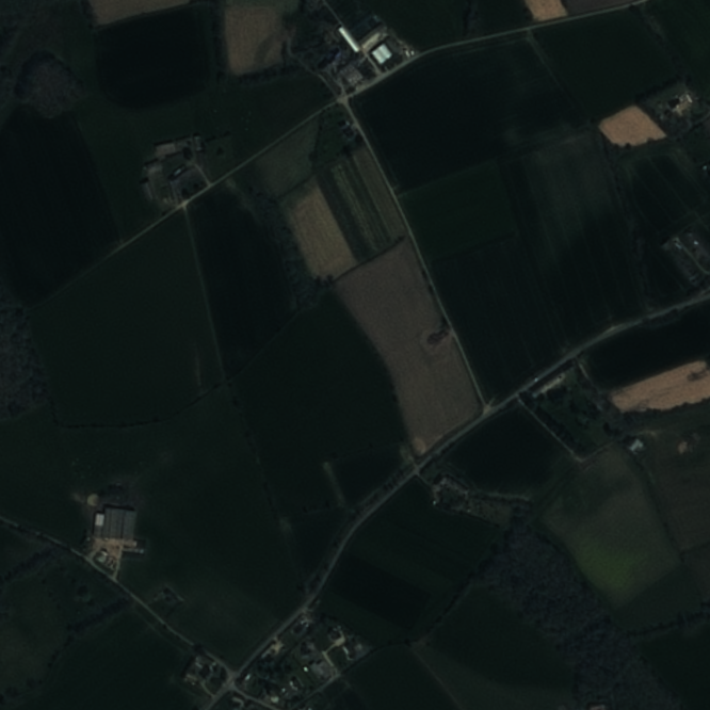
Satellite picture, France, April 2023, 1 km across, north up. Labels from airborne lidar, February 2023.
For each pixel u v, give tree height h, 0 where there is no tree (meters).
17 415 11
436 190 0
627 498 0
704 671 0
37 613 0
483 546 0
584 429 21
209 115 0
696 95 7
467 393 0
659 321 8
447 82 0
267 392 0
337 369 0
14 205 0
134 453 0
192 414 0
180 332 0
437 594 0
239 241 0
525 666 0
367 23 0
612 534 0
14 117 0
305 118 0
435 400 0
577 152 0
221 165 0
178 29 0
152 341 0
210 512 0
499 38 0
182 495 0
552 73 0
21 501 0
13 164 0
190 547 0
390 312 0
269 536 0
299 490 0
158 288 0
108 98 0
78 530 0
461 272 0
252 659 0
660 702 15
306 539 0
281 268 0
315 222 0
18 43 0
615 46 0
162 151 0
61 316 0
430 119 0
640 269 11
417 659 0
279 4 0
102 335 0
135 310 0
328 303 0
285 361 0
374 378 0
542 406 8
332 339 0
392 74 0
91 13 15
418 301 0
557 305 0
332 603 0
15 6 12
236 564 0
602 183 0
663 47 8
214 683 10
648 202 0
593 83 0
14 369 13
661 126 6
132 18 0
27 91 19
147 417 0
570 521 0
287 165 0
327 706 0
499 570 16
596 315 0
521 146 0
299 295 11
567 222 0
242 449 0
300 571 0
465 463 0
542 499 0
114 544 0
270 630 0
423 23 0
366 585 0
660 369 0
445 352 0
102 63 0
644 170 0
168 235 0
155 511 0
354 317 0
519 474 0
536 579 19
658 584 0
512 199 0
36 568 12
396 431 0
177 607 0
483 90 0
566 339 0
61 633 0
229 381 7
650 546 0
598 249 0
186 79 0
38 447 0
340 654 0
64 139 0
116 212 0
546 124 0
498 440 0
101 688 0
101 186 0
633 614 0
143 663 0
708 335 0
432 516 0
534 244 0
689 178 0
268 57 0
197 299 0
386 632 0
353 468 0
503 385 0
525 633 0
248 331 0
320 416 0
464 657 0
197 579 0
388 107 0
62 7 0
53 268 0
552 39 0
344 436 0
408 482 0
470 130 0
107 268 0
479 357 0
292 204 0
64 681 0
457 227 0
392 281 0
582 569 0
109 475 0
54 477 0
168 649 0
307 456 0
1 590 12
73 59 0
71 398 0
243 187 0
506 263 0
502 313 0
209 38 0
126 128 0
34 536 10
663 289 0
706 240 0
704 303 0
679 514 0
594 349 0
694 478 0
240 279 0
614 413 12
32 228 0
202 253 0
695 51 0
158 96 0
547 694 0
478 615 0
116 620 0
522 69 0
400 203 0
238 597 0
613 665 18
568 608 17
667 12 0
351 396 0
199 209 0
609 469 0
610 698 6
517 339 0
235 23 0
